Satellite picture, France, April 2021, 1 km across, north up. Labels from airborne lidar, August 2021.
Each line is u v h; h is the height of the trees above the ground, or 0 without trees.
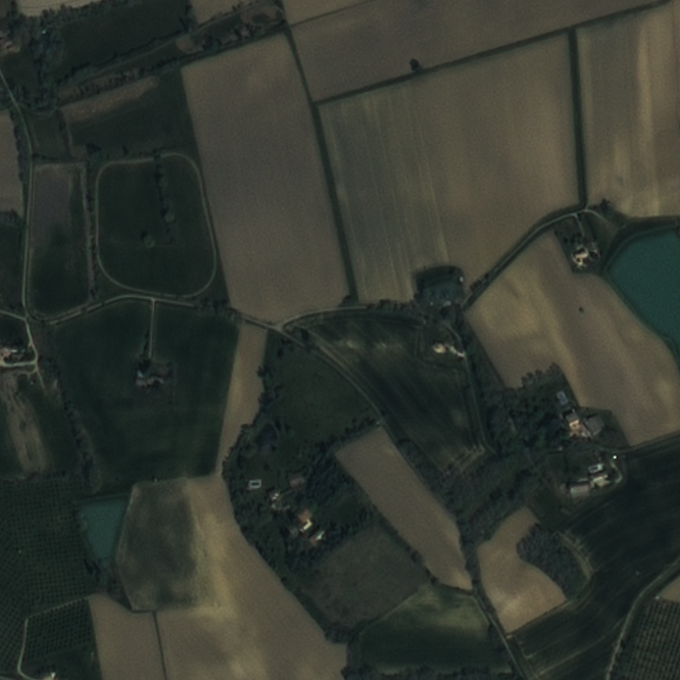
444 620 0
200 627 0
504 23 0
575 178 0
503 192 0
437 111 0
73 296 0
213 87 0
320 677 0
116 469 0
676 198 0
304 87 0
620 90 0
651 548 0
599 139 0
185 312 0
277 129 0
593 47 0
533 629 0
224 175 0
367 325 0
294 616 0
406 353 0
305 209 0
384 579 0
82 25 0
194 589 0
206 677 0
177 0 0
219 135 0
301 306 0
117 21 0
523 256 0
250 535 19
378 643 0
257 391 0
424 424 0
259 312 0
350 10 0
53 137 0
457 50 0
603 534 0
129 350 0
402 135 0
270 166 0
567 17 0
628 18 0
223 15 7
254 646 0
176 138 0
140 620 0
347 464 0
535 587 0
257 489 0
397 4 0
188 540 0
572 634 0
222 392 0
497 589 0
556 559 21
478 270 0
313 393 0
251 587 0
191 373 0
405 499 0
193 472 0
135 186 0
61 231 0
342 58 0
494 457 0
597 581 0
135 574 0
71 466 0
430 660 0
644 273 0
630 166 0
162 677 0
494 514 17
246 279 0
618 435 18
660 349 0
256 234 0
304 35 0
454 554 0
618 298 0
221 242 0
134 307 0
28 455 0
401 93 0
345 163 0
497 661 0
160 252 0
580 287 0
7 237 0
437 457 0
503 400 17
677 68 0
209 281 0
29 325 11
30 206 0
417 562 14
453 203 0
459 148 0
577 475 17
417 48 0
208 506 0
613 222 0
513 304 0
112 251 0
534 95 0
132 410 0
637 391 0
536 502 0
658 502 0
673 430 0
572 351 0
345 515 0
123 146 0
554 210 0
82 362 0
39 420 0
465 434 0
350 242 0
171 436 0
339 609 0
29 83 0
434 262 0
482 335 0
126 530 0
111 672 0
